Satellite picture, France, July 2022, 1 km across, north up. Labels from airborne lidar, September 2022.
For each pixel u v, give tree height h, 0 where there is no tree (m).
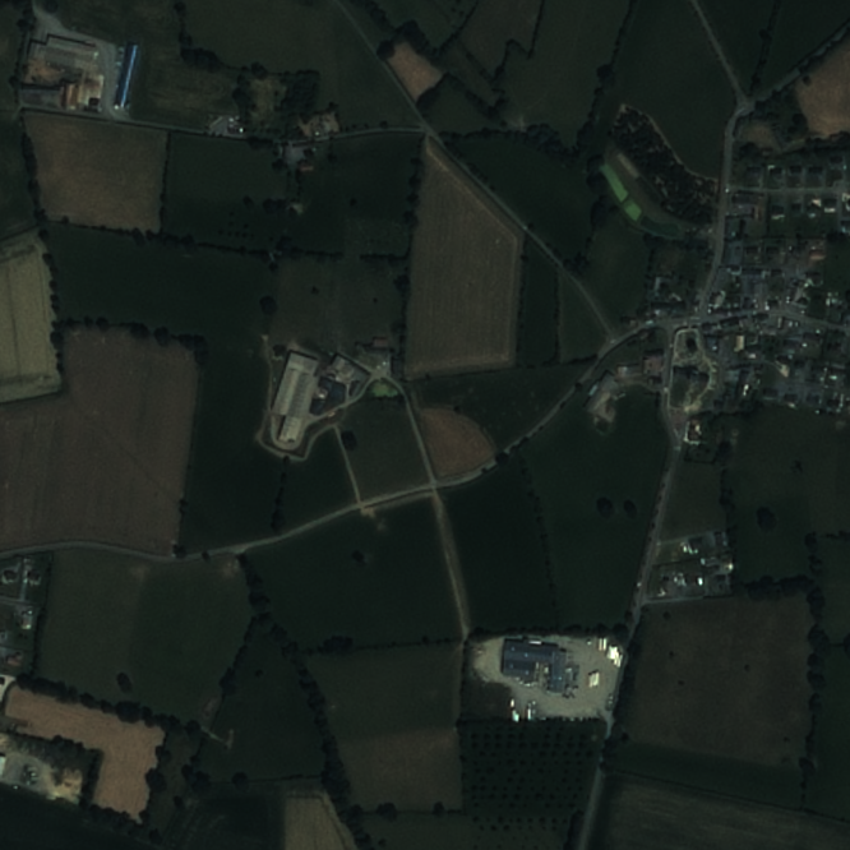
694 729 0
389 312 0
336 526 0
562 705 0
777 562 0
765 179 0
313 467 0
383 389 0
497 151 0
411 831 0
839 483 0
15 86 13
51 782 0
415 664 0
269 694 0
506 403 0
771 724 0
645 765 0
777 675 0
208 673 0
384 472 0
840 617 0
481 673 0
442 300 0
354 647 16
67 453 0
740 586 9
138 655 0
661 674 0
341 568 0
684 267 0
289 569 0
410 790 0
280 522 13
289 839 0
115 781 0
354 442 15
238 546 0
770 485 0
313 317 0
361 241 0
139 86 0
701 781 0
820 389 0
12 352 0
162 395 0
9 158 0
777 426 0
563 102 0
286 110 9
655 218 0
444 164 0
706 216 7
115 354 0
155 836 12
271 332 0
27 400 0
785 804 0
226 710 0
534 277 0
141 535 0
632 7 7
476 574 0
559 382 0
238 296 0
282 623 0
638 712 0
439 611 0
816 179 0
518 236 0
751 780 0
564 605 0
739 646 0
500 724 6
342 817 18
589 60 0
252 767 0
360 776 0
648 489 0
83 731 0
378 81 0
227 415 0
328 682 0
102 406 0
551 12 0
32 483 0
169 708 0
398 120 0
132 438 0
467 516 0
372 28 0
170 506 0
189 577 0
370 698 0
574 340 0
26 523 0
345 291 0
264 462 0
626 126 7
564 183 0
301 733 0
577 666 0
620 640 13
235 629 0
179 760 0
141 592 0
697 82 0
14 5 9
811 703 7
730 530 8
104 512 0
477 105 10
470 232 0
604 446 0
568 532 0
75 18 0
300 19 0
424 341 0
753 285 0
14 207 0
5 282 0
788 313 0
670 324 0
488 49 0
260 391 0
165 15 0
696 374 0
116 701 0
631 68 0
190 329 0
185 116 0
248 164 0
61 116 0
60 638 0
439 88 8
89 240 0
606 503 13
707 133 0
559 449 0
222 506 0
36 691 16
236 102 12
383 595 0
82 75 0
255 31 0
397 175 0
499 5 0
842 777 0
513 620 0
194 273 0
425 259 0
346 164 0
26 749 0
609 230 0
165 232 9
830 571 0
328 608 0
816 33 0
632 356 0
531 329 0
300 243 0
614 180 0
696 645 0
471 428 0
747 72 0
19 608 0
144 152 0
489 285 0
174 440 0
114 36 0
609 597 0
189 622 0
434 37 0
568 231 0
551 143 21
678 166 7
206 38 0
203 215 0
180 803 16
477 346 0
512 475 0
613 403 0
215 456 0
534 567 0
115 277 0
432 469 0
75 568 0
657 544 0
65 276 0
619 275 0
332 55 0
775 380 0
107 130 0
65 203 0
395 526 0
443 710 0
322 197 0
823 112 0
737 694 0
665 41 0
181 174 0
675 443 0
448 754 0
